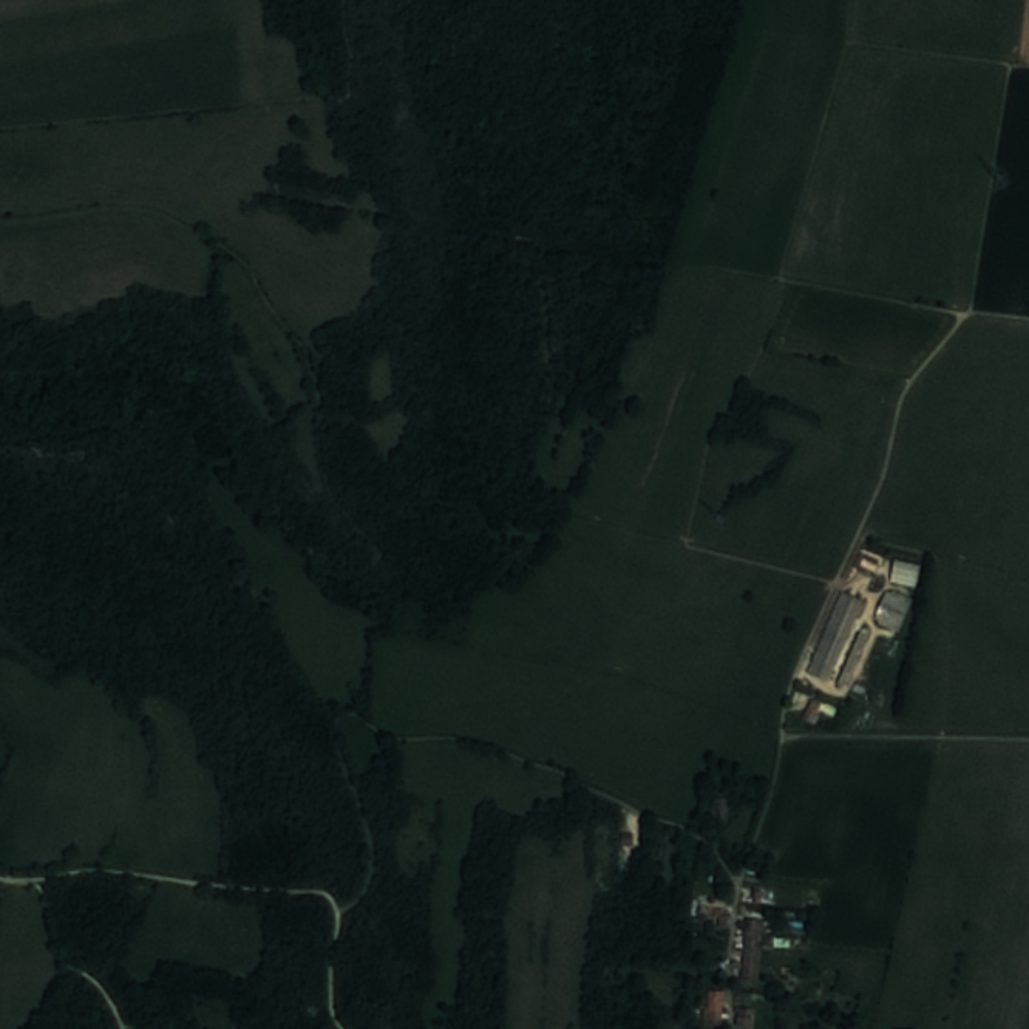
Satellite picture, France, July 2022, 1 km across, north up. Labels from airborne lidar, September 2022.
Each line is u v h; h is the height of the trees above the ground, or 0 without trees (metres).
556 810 12
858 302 0
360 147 10
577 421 18
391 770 14
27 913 0
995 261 0
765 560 0
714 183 0
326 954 7
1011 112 0
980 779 0
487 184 21
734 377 0
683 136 6
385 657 0
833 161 0
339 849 8
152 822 0
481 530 22
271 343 0
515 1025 0
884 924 0
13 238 0
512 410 25
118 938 17
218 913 0
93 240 0
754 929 0
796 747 0
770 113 0
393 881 7
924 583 11
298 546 21
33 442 15
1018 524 0
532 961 0
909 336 0
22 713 0
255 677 13
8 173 0
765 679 0
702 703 0
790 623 12
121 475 9
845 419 0
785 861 0
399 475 16
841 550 0
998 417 0
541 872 0
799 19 0
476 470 25
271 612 23
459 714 0
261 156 0
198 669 23
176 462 16
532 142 14
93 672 14
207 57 0
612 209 20
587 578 0
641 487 0
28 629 16
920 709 0
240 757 15
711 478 0
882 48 0
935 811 0
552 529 16
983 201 0
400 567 16
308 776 13
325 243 0
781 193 0
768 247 0
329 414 11
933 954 0
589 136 19
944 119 0
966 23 0
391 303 10
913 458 0
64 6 0
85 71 0
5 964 0
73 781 0
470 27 10
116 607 26
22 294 0
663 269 21
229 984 23
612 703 0
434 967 18
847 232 0
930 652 0
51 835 0
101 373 25
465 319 20
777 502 0
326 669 0
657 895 24
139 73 0
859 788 0
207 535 19
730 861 6
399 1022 18
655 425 0
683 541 0
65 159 0
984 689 0
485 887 17
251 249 0
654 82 25
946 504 0
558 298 17
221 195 0
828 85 0
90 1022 13
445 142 14
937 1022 0
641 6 16
